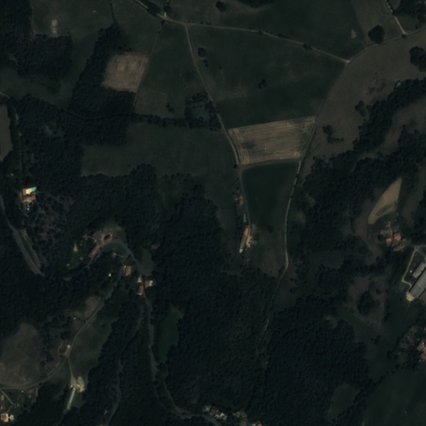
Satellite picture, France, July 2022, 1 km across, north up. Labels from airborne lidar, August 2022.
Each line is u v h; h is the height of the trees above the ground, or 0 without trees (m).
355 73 0
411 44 0
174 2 0
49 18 0
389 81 0
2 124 0
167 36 0
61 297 17
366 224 0
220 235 12
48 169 14
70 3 0
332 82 0
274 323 14
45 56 10
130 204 15
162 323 23
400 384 0
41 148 12
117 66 0
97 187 11
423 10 16
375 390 14
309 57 0
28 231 17
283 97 0
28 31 11
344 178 14
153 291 22
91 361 0
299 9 0
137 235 22
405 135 10
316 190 15
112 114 7
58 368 0
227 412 18
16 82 0
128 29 0
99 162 0
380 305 0
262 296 10
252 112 0
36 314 17
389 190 0
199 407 16
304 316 15
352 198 6
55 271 10
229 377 9
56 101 0
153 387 21
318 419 12
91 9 0
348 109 0
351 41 0
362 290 0
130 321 10
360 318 0
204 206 15
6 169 21
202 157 0
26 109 11
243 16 0
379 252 0
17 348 0
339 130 0
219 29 0
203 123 15
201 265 21
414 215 0
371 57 0
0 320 13
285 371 16
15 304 16
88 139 19
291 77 0
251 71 0
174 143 0
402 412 0
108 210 14
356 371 21
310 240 16
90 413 26
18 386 0
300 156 0
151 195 13
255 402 22
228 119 0
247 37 0
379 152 0
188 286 14
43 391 15
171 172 0
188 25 0
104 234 0
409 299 0
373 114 13
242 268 8
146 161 0
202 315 24
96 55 12
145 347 19
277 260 0
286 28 0
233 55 0
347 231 0
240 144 0
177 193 0
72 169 16
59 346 0
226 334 15
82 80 15
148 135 0
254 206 0
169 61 0
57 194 7
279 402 13
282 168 0
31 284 27
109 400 11
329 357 27
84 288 21
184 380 14
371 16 0
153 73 0
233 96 0
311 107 0
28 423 11
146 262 0
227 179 0
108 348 20
